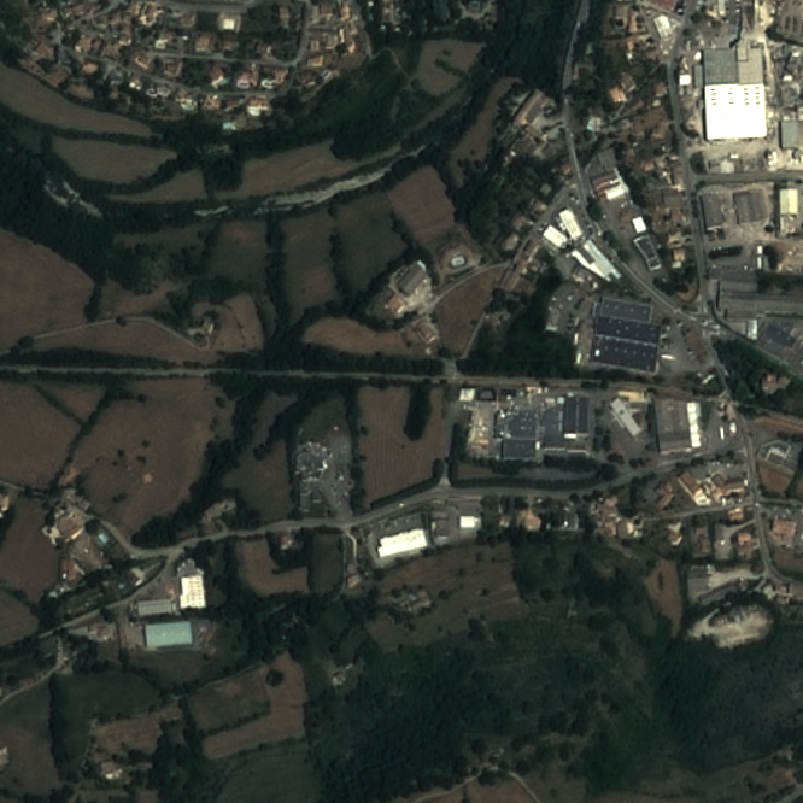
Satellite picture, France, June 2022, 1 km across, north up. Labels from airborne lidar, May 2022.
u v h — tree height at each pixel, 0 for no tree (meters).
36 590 0
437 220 0
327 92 9
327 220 0
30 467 0
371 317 11
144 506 0
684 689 7
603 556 0
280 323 13
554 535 11
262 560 0
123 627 0
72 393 0
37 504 0
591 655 6
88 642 7
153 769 7
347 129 13
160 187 0
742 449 0
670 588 0
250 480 0
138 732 0
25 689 0
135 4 0
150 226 16
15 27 7
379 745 6
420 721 12
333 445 0
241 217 14
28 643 12
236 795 0
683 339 0
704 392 8
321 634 0
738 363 17
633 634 9
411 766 14
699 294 0
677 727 6
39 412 0
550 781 0
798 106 0
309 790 0
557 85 14
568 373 10
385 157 6
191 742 11
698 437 0
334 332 0
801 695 0
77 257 15
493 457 13
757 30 0
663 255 10
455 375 0
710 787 0
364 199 0
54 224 16
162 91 0
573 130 0
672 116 8
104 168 0
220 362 8
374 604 12
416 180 0
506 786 0
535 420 0
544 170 8
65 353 12
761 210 0
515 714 7
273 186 0
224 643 0
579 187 0
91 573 7
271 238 18
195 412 0
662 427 0
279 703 0
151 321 0
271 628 20
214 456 15
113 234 16
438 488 0
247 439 17
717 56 0
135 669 10
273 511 0
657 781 0
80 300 0
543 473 0
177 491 0
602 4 9
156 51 0
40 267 0
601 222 12
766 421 0
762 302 0
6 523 12
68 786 10
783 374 19
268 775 0
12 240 0
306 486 0
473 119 13
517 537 15
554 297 0
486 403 0
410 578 0
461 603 0
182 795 9
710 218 0
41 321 0
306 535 13
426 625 0
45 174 13
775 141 0
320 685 0
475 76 7
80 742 0
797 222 0
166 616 12
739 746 0
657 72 8
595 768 6
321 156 0
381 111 9
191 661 0
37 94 0
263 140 9
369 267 0
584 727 15
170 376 7
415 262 11
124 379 6
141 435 0
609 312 0
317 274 0
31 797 13
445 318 0
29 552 0
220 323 6
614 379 10
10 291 0
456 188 14
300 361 19
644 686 6
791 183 0
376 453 0
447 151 10
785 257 0
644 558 0
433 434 0
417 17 16
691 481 0
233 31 9
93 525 11
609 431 6
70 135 13
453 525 0
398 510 0
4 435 0
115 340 0
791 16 0
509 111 13
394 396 0
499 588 0
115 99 9
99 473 0
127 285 9
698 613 7
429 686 12
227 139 7
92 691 0
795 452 0
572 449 0
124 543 0
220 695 0
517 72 18
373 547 0
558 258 0
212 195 6
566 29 10
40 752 0
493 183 15
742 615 0
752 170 0
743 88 0
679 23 0
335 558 0
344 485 0
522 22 11
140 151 0
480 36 14
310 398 11
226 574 8
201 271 10
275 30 7
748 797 0
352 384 12
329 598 7
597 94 18
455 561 0
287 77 6
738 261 0
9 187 18
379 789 13
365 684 9
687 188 0
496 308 14
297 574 0
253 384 12
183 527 16
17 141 15
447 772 7
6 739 0
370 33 8
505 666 0
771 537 0
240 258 0
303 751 0
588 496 10
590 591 13
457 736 13
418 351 0
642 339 0
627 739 6
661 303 0
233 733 0
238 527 13
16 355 12
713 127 0
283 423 17
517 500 10
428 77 0
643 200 12
